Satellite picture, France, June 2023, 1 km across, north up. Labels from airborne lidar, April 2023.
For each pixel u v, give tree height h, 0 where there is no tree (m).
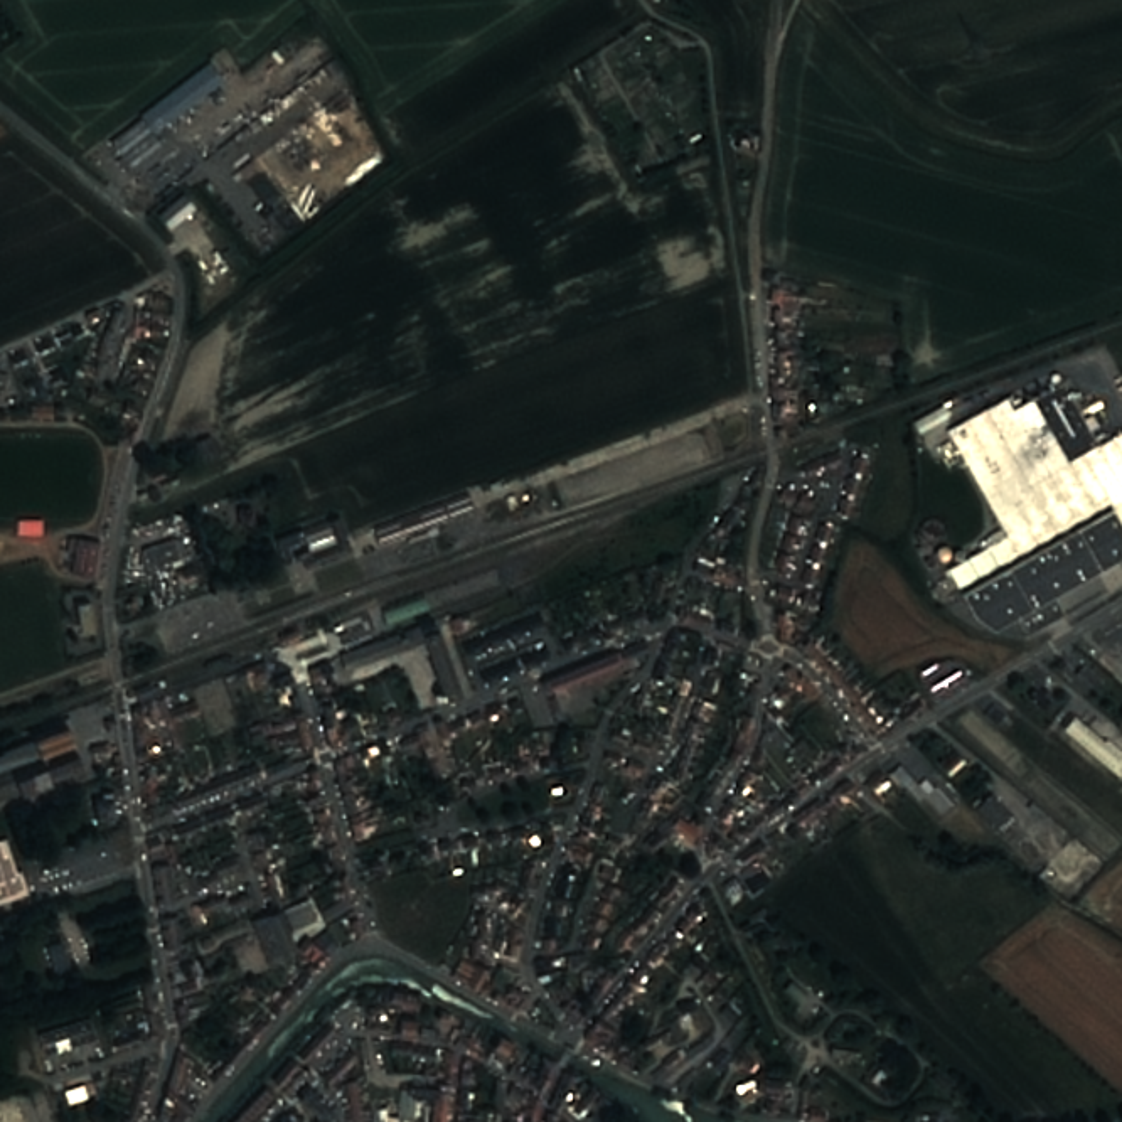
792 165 0
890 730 0
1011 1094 0
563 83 0
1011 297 0
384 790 11
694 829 0
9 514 0
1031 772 0
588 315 0
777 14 0
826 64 0
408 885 0
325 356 0
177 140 0
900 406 0
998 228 0
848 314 0
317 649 0
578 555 0
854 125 0
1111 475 0
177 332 0
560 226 0
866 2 0
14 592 0
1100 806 0
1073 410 0
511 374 0
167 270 0
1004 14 0
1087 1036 0
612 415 0
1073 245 0
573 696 0
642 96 0
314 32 0
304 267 0
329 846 0
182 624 0
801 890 0
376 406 0
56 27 0
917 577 0
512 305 0
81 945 0
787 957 12
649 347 0
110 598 0
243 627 0
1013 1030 0
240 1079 0
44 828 31
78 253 0
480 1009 0
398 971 0
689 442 0
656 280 0
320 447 0
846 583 0
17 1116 0
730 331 0
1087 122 0
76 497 0
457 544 0
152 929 0
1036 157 0
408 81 0
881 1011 11
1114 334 0
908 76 0
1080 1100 0
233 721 0
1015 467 0
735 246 0
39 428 0
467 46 0
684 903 0
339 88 0
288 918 0
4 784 0
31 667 0
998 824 0
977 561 0
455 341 0
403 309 0
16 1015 21
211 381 0
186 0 0
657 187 0
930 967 0
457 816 0
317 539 0
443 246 0
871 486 0
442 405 0
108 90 0
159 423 0
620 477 0
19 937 15
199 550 11
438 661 0
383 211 0
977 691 0
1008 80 0
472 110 0
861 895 0
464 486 0
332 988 0
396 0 0
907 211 0
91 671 0
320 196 0
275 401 0
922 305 0
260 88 0
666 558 11
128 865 0
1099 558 0
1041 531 0
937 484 0
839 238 0
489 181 0
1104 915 0
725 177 0
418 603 0
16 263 0
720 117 0
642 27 0
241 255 0
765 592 0
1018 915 0
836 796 0
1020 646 0
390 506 0
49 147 0
